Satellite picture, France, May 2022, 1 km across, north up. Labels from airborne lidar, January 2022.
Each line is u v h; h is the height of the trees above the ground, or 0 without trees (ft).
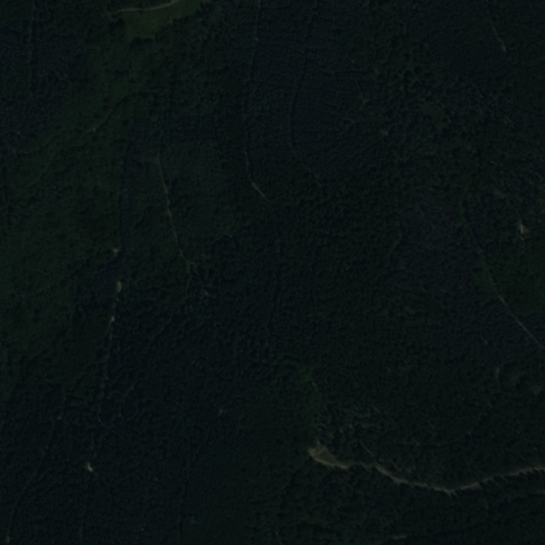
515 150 77
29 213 58
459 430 60
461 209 74
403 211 66
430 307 56
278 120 46
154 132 52
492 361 52
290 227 73
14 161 30
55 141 40
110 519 70
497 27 51
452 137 78
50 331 75
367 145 64
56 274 46
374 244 66
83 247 40
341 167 58
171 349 90
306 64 71
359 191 44
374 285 41
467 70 70
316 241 66
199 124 45
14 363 66
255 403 55
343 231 76
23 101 51
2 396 76
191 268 31
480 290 66
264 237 81
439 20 76
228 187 62
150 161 75
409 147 65
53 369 53
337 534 107
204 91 57
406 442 78
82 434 73
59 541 72
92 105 56
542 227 85
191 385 86
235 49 53
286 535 102
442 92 82
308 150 56
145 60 52
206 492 56
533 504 75
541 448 71
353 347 60
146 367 67
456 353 42
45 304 60
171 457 74
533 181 84
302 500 95
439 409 64
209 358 84
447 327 51
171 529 78
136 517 74
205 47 72
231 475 59
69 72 75
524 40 55
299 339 62
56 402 77
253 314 74
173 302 46
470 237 88
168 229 56
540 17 49
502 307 72
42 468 66
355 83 66
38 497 76
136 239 68
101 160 46
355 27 71
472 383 68
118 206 99
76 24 53
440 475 31
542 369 77
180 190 36
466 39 66
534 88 37
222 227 65
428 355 66
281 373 61
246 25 39
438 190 82
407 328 56
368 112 36
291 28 35
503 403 76
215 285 71
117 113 75
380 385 72
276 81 63
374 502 75
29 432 65
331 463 0
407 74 45
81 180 52
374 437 68
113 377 86
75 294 70
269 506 91
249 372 66
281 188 72
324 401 71
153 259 63
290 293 70
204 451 47
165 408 74
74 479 94
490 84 77
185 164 67
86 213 54
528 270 77
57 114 57
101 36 75
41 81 28
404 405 47
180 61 53
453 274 70
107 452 74
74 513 78
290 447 88
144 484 79
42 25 62
